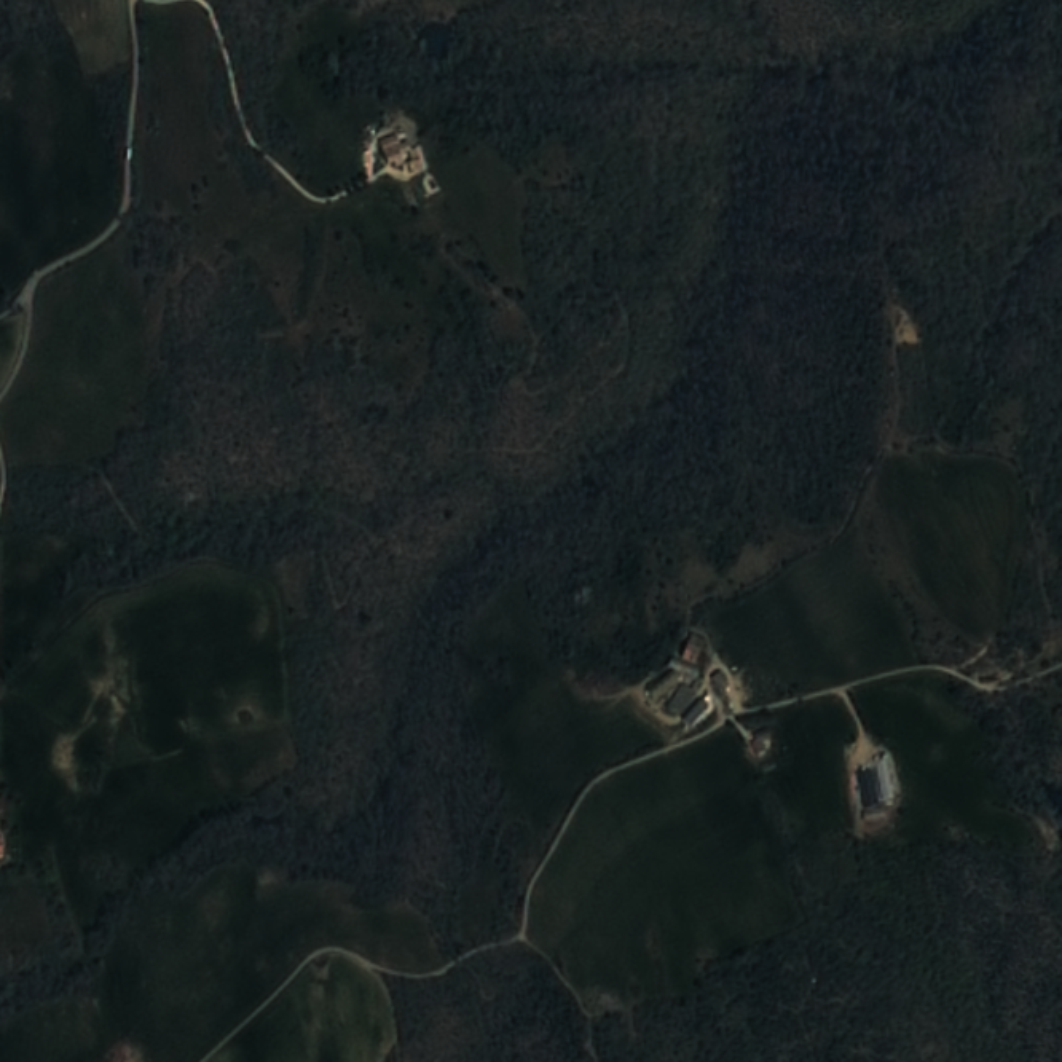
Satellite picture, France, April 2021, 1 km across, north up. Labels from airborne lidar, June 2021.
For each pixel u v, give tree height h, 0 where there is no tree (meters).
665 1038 6
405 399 11
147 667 0
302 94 0
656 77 14
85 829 0
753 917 0
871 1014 10
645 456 12
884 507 0
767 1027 7
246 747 0
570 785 0
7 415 0
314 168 0
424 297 0
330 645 9
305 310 0
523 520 17
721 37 9
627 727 0
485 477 12
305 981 0
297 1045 0
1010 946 9
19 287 0
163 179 0
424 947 0
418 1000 8
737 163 16
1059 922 11
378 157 5
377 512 19
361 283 0
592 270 12
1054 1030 6
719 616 0
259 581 0
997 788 0
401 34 12
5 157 0
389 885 6
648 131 15
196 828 17
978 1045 8
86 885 0
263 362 8
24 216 0
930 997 10
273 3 15
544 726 0
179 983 0
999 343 12
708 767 0
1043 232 7
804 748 0
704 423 9
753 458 6
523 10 15
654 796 0
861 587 0
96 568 12
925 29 7
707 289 15
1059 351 7
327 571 6
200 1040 0
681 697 0
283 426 9
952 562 0
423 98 10
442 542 12
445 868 9
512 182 0
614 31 15
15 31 14
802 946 7
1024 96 13
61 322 0
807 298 7
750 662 0
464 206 0
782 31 11
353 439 7
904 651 0
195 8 0
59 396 0
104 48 0
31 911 0
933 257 8
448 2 0
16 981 15
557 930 0
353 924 0
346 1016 0
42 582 0
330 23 0
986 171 11
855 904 9
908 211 16
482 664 6
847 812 0
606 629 0
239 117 12
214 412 7
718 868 0
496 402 10
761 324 12
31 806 0
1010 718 6
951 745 0
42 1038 0
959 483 0
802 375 10
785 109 10
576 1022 9
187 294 7
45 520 7
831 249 8
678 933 0
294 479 15
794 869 7
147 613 0
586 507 16
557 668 0
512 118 16
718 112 8
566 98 8
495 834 8
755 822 0
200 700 0
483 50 16
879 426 0
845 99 12
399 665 22
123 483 13
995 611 0
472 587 15
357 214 0
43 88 0
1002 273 12
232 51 11
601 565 13
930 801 0
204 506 8
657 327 8
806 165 6
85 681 0
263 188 0
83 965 9
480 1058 12
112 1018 0
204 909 0
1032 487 8
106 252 0
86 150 0
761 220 7
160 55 0
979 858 7
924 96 15
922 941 6
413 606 17
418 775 12
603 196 7
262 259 0
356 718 14
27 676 0
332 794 15
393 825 12
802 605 0
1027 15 9
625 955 0
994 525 0
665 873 0
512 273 0
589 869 0
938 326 11
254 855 11
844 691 0
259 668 0
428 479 17
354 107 0
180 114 0
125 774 0
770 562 0
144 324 0
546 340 7
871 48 23
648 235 17
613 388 6
